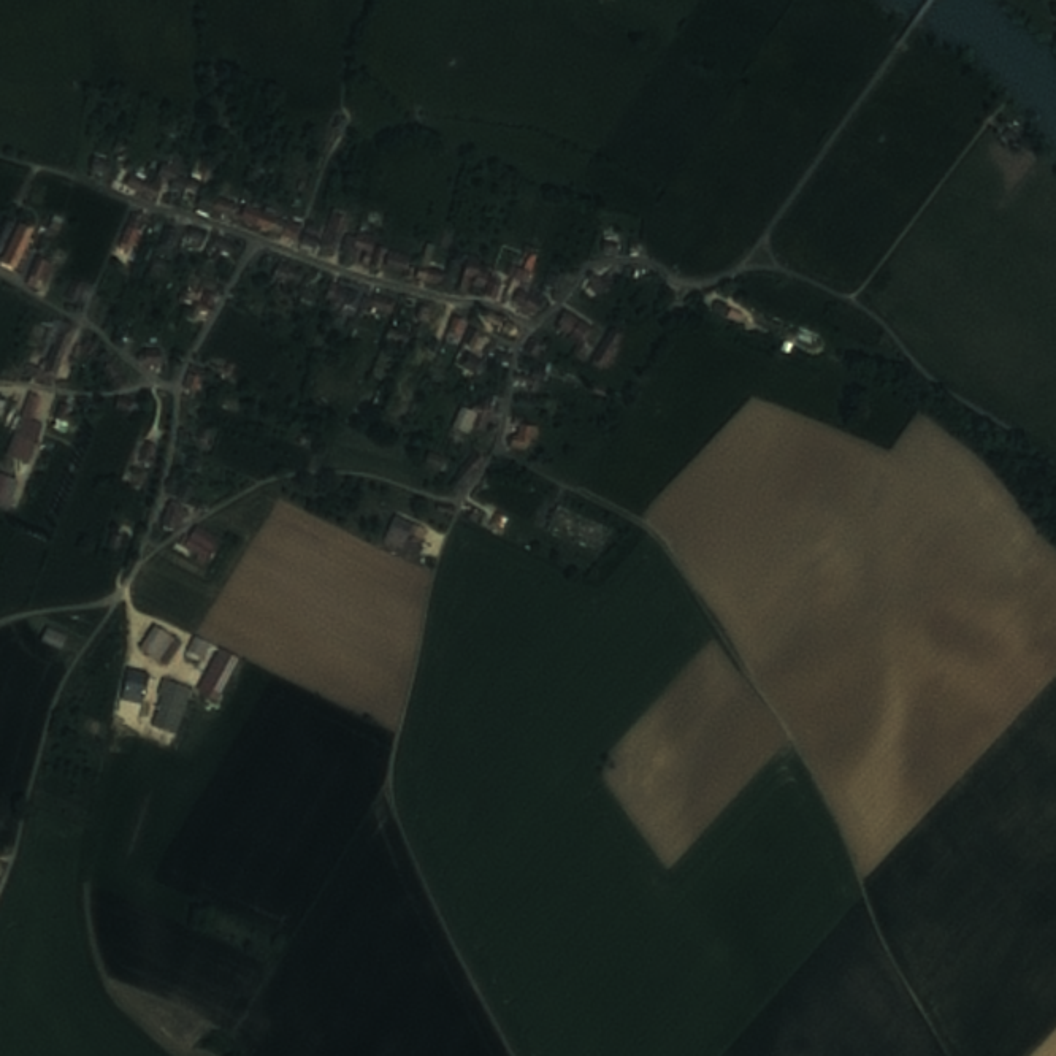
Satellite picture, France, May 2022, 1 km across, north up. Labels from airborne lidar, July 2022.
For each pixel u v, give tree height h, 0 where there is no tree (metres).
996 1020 0
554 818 0
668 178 0
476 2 0
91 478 0
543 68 0
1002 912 0
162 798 0
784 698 0
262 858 0
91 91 9
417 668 0
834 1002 0
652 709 0
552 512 6
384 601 0
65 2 0
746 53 0
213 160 13
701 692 0
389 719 0
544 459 11
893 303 0
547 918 0
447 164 0
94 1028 0
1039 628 0
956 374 0
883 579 0
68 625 0
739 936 0
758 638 0
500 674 0
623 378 0
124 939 0
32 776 0
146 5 0
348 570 0
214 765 0
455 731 0
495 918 0
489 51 0
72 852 0
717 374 0
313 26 0
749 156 0
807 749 0
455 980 0
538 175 0
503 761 0
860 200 0
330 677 0
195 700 0
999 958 0
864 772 0
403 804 0
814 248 0
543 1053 0
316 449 14
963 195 0
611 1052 0
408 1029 0
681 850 0
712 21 0
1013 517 0
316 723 0
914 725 0
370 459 0
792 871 0
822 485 0
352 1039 0
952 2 0
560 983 0
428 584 0
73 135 0
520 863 0
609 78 0
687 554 0
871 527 0
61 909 0
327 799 0
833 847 0
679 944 0
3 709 0
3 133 0
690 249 0
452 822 0
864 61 0
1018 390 0
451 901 0
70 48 0
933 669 0
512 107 0
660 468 0
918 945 0
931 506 0
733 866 0
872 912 0
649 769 0
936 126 0
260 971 0
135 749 0
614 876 0
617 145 0
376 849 0
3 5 0
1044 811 0
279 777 0
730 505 0
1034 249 0
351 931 0
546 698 0
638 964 0
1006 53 0
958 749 0
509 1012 0
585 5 0
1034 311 0
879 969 0
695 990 0
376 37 0
